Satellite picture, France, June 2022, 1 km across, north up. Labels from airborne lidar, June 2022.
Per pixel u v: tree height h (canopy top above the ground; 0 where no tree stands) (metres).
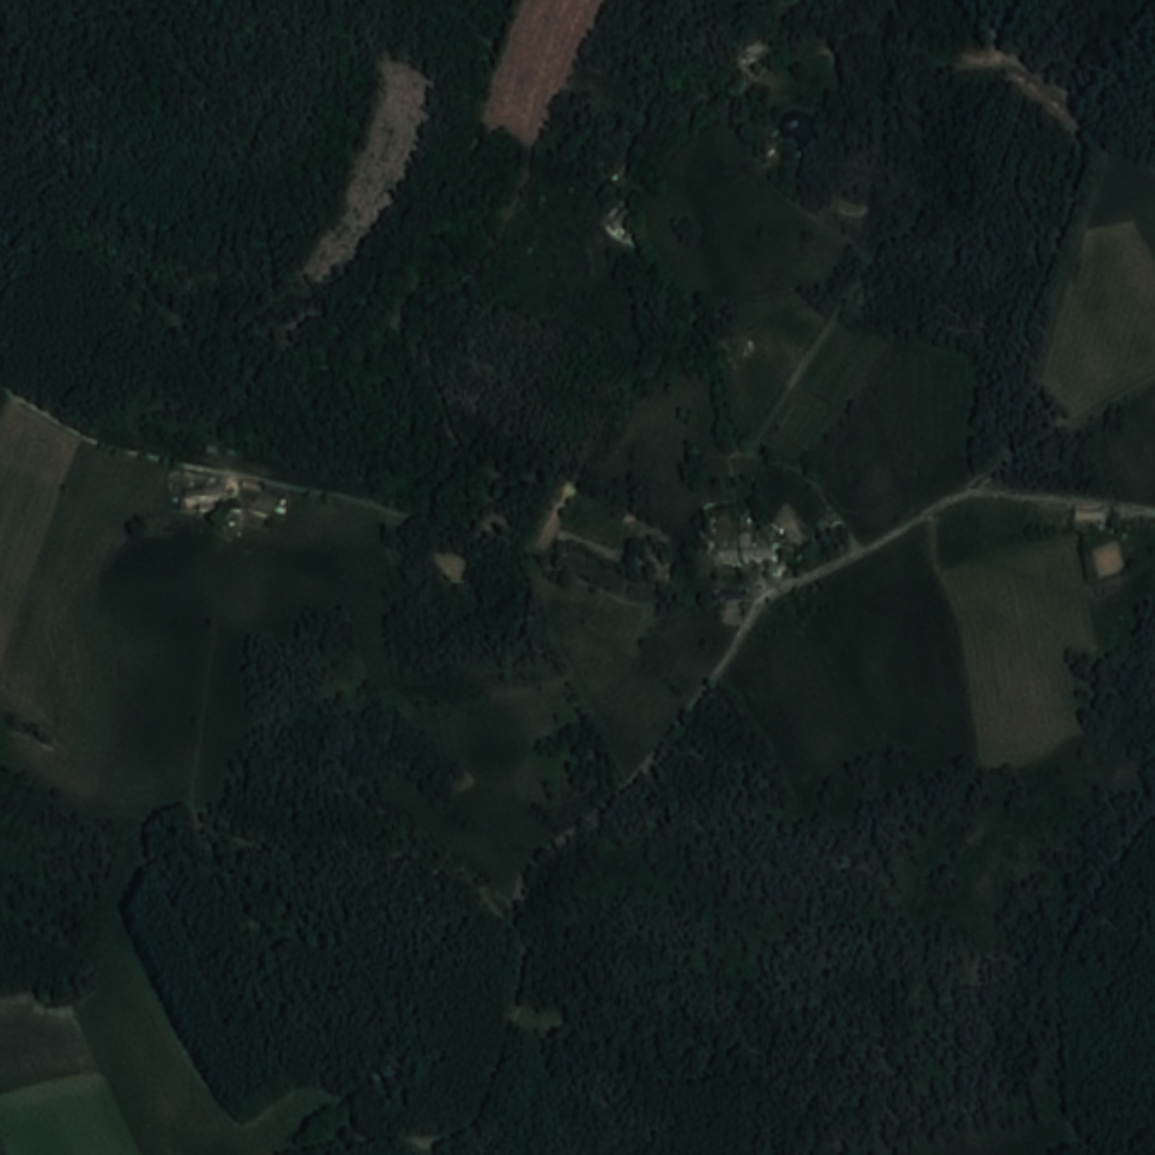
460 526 14
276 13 15
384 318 20
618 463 0
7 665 0
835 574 0
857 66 18
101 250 6
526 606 13
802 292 11
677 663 0
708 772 20
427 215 23
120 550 0
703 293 13
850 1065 18
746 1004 15
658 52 16
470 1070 22
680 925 15
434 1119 21
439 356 15
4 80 14
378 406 14
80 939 16
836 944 19
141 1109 0
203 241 18
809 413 0
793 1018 22
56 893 7
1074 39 20
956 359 0
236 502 9
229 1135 0
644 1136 20
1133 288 0
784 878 13
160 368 19
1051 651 0
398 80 0
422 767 18
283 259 23
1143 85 31
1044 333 13
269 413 11
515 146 15
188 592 0
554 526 0
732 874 19
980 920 0
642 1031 25
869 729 0
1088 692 13
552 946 16
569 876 14
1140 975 17
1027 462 16
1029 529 9
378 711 11
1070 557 0
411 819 12
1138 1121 15
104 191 11
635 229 16
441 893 13
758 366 0
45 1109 0
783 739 0
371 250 20
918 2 19
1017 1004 16
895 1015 14
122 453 9
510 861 0
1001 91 19
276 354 14
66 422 19
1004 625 0
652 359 17
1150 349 0
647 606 0
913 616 0
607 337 6
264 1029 23
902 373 0
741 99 14
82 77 11
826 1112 21
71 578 0
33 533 0
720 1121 29
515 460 17
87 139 17
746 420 0
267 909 10
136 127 15
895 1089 14
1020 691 0
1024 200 12
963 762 17
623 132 16
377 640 0
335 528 0
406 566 8
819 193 13
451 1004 25
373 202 0
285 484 0
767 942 12
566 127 5
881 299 17
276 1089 34
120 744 0
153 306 10
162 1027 0
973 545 0
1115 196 0
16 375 20
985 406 18
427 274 13
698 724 13
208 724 0
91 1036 0
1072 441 13
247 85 18
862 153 9
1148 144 29
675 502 0
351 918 20
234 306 12
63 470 0
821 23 12
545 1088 29
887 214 8
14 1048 0
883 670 0
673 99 17
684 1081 13
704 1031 24
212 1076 33
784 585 0
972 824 7
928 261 17
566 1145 21
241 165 19
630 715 0
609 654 0
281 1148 0
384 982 25
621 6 20
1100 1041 16
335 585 0
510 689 0
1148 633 20
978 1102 11
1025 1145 0
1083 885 16
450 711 0
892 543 0
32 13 20
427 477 16
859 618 0
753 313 0
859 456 0
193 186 11
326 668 6
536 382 13
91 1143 0
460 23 14
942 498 0
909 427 0
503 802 0
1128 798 16
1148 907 19
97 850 14
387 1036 27
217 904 26
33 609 0
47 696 0
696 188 0
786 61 16
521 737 0
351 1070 27
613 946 14
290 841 10
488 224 13
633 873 8
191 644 0
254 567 0
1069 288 0
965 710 0
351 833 12
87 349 20
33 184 20
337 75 13
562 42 0
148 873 16
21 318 16
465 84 18
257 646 15
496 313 11
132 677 0
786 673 0
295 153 19
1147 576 0
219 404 15
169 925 34
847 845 15
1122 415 9
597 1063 23
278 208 22
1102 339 0
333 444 10
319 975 28
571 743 14
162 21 14
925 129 13
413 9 18
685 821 23
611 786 9
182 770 0
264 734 14
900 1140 17
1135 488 0
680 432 0
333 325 14
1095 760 0
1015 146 19
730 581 0
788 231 0
